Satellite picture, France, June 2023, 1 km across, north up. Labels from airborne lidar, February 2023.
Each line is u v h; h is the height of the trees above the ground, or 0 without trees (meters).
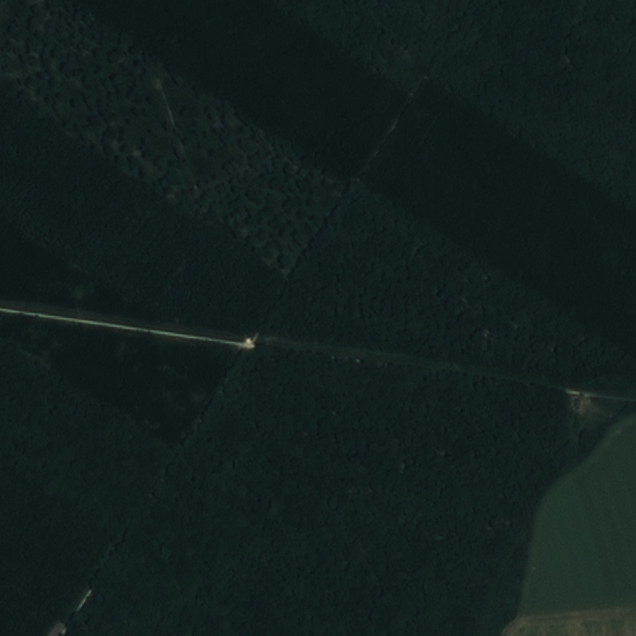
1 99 16
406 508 22
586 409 0
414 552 27
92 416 26
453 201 14
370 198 24
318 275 26
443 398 27
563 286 12
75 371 6
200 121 27
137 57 31
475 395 26
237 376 26
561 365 25
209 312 19
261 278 18
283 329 23
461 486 24
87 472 27
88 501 25
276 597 23
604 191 16
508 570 21
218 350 17
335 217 23
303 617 25
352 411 25
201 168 0
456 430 27
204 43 12
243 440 22
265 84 13
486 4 24
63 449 31
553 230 9
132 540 28
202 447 26
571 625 0
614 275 10
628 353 11
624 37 24
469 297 31
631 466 0
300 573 21
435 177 8
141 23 12
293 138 9
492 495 22
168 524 26
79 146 18
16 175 20
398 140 8
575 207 12
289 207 27
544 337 25
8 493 20
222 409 24
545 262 11
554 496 0
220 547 24
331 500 22
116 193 18
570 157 28
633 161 25
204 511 29
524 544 17
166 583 19
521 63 31
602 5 27
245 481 30
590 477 0
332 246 26
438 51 23
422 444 26
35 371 25
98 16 10
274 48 13
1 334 7
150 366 6
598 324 11
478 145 11
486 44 28
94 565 18
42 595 20
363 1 27
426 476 27
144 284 18
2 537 20
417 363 0
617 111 27
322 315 29
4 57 27
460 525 24
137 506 27
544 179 11
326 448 26
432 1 28
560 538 0
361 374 26
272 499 27
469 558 24
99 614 24
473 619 24
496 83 28
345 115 8
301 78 13
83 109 26
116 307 8
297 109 11
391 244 27
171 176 27
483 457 27
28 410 30
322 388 25
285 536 24
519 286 11
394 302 28
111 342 8
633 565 0
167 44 14
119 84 34
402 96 9
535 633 0
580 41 26
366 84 7
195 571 25
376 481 24
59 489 29
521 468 25
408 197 13
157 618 21
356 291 28
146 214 16
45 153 20
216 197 24
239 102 13
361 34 29
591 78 29
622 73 28
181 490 27
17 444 29
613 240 11
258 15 14
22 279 7
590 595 0
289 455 26
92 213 19
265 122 15
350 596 22
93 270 14
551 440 26
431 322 29
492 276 26
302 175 25
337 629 25
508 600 19
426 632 27
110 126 28
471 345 25
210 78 15
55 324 6
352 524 22
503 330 31
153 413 7
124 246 17
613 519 0
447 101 10
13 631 17
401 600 27
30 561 21
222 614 25
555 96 26
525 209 11
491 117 9
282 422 26
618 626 0
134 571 28
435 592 24
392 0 31
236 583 19
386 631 25
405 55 23
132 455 26
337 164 9
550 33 25
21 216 22
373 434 26
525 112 29
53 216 22
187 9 11
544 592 0
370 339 24
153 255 15
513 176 13
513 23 27
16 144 19
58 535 19
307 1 28
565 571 0
